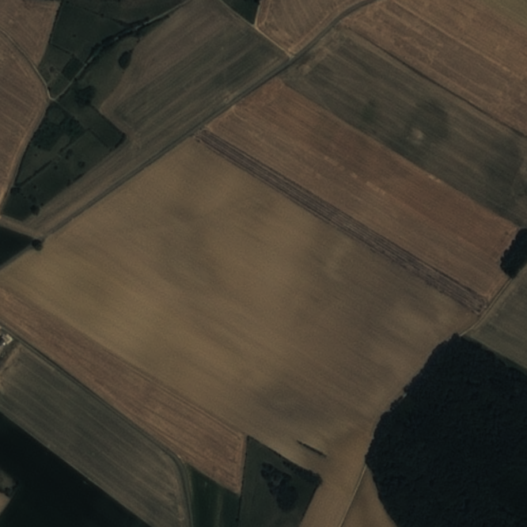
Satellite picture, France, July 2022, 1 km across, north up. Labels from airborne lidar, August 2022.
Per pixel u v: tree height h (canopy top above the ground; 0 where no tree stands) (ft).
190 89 0
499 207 0
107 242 0
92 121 0
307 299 0
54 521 0
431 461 88
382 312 0
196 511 0
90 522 0
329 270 0
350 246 0
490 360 78
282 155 0
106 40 32
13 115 0
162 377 0
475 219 0
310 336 0
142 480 0
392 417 52
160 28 0
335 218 0
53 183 0
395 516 60
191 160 0
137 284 0
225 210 0
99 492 0
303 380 0
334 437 0
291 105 0
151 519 0
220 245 0
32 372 0
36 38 0
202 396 0
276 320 0
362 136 0
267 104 0
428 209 0
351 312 0
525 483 29
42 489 0
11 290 0
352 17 0
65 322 0
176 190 0
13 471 0
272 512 0
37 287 0
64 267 0
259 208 0
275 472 41
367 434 0
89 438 0
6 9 0
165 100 0
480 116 0
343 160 0
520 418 86
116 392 0
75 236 0
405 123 0
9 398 0
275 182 0
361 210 0
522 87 0
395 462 70
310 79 0
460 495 73
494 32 0
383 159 0
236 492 0
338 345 0
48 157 0
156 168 0
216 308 0
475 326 0
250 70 0
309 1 0
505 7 0
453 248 0
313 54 0
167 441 0
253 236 0
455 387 74
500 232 0
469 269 0
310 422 0
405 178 0
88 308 0
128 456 0
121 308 0
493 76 0
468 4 0
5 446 0
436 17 0
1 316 0
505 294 0
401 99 0
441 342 0
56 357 0
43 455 0
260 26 0
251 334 0
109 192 0
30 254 0
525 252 57
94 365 0
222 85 0
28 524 0
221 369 0
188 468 0
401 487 68
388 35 0
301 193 0
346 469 0
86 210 0
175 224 0
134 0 0
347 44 0
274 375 0
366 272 0
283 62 0
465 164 0
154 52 0
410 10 0
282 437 0
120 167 0
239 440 0
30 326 0
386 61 0
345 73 0
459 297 0
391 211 0
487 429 83
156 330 0
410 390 58
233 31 0
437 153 0
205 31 0
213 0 0
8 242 0
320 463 0
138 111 0
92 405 0
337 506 0
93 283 0
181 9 0
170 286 0
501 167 0
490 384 96
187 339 0
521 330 0
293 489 58
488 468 73
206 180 0
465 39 0
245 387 0
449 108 0
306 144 0
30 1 0
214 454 0
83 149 0
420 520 86
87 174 0
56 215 0
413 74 0
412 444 80
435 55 0
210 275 0
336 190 0
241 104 0
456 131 0
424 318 0
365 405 0
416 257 0
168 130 0
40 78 0
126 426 0
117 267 0
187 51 0
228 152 0
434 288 0
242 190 0
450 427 81
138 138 0
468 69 0
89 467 0
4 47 0
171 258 0
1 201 0
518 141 0
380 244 0
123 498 0
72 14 0
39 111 0
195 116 0
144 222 0
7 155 0
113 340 0
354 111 0
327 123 0
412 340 0
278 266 0
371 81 0
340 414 0
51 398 0
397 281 0
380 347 0
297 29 0
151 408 0
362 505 0
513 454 90
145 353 0
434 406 75
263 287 0
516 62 0
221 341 0
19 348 0
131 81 0
